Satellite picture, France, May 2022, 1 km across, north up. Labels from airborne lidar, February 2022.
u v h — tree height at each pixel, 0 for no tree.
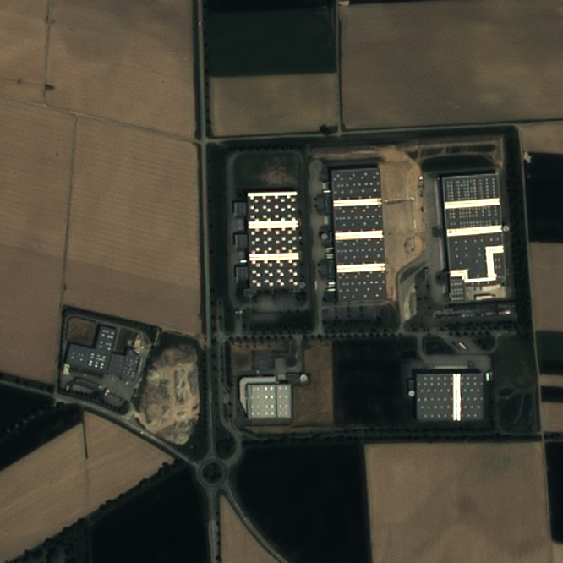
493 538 0
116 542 0
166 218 0
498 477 0
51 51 0
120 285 0
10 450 0
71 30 0
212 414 0
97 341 0
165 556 0
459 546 0
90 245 0
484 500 0
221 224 0
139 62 0
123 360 0
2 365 0
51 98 0
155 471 0
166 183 0
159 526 0
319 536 0
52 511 0
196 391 0
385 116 0
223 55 0
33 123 0
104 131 0
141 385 0
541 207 0
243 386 0
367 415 0
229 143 0
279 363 0
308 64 0
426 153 0
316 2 0
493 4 0
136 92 0
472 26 0
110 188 0
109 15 0
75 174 0
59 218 0
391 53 0
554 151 0
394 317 0
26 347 0
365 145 0
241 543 0
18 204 0
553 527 0
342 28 0
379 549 0
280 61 0
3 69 0
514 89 0
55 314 0
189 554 0
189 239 0
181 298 0
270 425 0
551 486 0
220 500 0
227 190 0
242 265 0
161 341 0
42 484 0
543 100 0
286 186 0
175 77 0
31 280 0
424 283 0
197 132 0
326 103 0
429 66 0
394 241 0
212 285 0
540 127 0
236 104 0
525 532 0
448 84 0
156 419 0
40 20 0
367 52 0
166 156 0
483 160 0
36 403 0
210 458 0
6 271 0
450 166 0
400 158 0
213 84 0
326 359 0
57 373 0
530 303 6
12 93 0
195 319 0
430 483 0
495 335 0
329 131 16
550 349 0
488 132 0
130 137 0
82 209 0
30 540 0
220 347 0
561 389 0
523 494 0
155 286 0
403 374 0
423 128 0
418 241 0
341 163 0
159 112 0
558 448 0
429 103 0
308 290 0
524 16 0
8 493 0
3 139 0
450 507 0
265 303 0
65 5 0
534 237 0
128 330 0
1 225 0
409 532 0
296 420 0
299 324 0
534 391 0
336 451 0
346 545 0
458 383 0
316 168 0
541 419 0
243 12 0
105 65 0
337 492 0
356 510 0
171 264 0
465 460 0
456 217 0
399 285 0
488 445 0
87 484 0
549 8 0
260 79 0
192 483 0
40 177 0
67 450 0
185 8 0
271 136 0
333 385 0
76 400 0
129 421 0
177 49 0
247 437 0
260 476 0
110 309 0
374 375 0
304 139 0
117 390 0
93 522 0
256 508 0
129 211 0
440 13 0
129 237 0
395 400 0
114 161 0
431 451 0
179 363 0
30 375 0
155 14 0
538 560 0
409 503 0
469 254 0
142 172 0
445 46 0
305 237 0
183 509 0
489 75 0
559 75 0
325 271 0
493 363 0
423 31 0
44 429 0
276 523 0
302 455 0
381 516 0
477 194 0
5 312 0
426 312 0
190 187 0
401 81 0
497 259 0
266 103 0
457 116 0
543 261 0
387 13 0
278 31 0
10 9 0
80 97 0
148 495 0
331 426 0
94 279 0
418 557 0
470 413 0
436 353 0
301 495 0
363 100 0
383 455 0
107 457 0
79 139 0
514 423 0
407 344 0
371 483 0
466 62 0
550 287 0
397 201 0
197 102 0
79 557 0
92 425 0
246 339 6
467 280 0
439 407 0
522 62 0
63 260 0
